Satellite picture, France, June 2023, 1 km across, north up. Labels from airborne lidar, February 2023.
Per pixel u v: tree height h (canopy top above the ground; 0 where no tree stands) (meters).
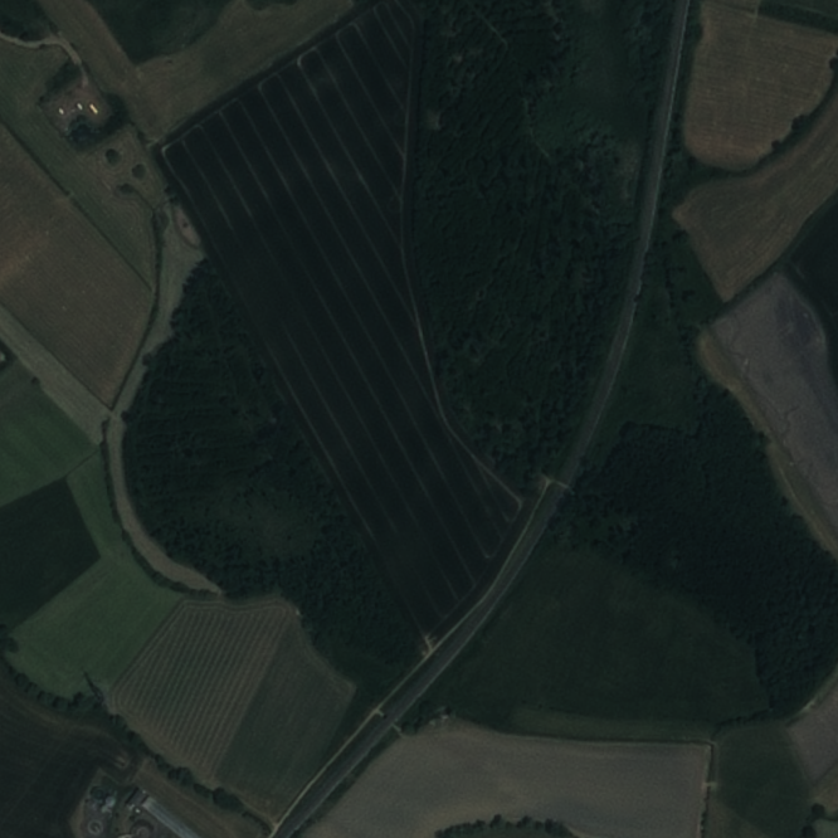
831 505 0
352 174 0
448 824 0
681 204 0
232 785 0
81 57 0
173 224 0
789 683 24
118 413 0
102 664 0
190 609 0
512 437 18
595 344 17
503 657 0
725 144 0
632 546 17
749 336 0
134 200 0
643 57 14
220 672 0
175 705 0
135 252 0
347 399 0
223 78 0
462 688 0
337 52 0
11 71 0
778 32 0
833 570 12
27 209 0
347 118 0
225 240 0
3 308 0
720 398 13
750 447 13
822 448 0
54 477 0
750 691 0
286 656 0
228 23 0
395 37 0
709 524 16
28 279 0
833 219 0
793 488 0
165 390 8
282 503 0
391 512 0
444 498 0
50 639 0
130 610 0
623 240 18
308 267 0
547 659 0
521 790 0
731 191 0
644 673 0
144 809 0
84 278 0
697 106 0
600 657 0
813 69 0
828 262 0
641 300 17
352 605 13
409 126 0
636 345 0
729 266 0
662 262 5
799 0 0
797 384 0
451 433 0
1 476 0
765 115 0
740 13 0
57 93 0
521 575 0
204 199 0
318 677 0
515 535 0
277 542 0
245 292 0
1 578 0
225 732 0
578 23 6
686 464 12
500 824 15
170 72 0
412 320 0
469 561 0
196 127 0
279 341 0
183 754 0
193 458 26
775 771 0
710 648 0
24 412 0
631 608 0
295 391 0
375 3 0
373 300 0
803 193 0
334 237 0
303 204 0
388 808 0
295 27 0
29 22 0
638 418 0
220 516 0
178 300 0
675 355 0
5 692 0
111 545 0
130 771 0
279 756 0
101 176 0
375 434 0
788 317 0
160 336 0
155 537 13
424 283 7
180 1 0
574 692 0
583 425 0
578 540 16
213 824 0
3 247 0
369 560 13
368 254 0
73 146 0
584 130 10
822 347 0
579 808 0
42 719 0
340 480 0
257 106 0
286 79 0
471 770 0
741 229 0
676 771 0
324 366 0
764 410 0
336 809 0
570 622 0
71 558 0
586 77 11
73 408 0
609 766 0
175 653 0
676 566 15
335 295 0
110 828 0
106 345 0
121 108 6
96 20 0
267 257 0
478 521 0
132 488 8
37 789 0
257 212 0
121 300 0
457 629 0
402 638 12
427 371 0
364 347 0
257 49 0
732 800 0
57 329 0
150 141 0
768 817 0
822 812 10
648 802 0
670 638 0
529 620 0
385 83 0
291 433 25
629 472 17
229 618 0
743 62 0
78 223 0
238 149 0
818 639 29
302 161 0
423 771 0
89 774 0
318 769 0
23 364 0
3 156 0
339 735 0
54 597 0
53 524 0
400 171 0
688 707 0
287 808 0
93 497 0
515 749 0
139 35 0
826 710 0
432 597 0
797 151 0
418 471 0
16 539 0
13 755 0
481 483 0
